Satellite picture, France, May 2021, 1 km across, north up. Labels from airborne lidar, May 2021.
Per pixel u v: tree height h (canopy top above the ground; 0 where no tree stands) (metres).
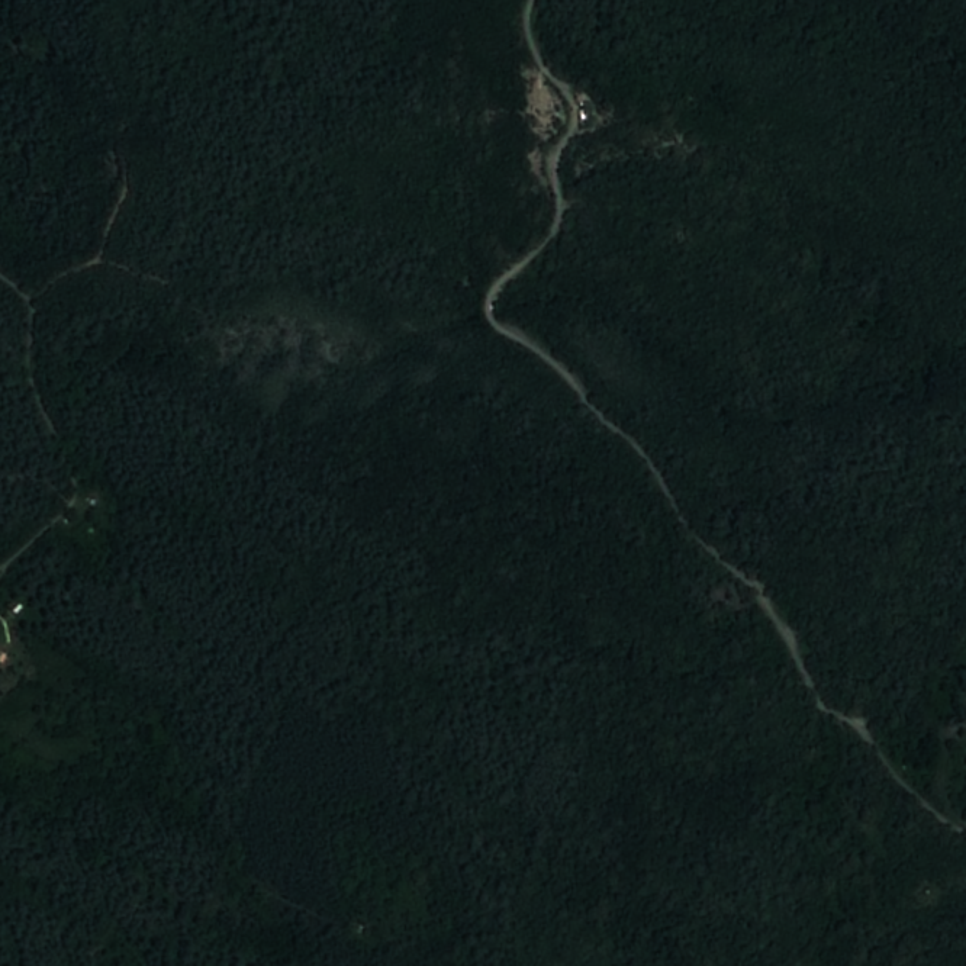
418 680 10
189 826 10
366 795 15
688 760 11
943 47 18
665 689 12
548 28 11
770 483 19
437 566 14
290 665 17
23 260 11
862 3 19
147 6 6
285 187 11
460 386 9
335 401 6
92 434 22
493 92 7
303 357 6
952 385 20
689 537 16
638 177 12
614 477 12
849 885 7
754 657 12
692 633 11
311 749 14
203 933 13
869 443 17
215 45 9
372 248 15
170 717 10
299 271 6
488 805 17
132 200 8
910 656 11
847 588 11
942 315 16
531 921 11
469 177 9
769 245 9
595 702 11
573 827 11
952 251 12
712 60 9
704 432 13
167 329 17
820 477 23
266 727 20
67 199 16
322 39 14
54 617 17
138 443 20
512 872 7
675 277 8
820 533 15
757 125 12
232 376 9
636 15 17
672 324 16
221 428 8
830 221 18
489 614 11
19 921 18
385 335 6
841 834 17
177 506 10
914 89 13
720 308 8
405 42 12
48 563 20
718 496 17
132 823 10
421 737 8
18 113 20
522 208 8
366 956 11
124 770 15
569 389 6
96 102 12
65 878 16
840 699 11
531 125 10
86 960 14
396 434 12
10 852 15
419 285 14
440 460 13
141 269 8
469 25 6
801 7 20
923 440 18
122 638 16
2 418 6
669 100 9
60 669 0
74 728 9
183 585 16
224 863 9
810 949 15
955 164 11
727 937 8
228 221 17
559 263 11
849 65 12
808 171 11
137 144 15
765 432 16
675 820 11
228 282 16
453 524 11
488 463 14
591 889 14
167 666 17
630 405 10
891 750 7
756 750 10
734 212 13
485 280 6
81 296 11
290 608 7
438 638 10
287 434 10
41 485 15
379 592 18
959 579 26
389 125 9
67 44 18
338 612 14
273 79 22
